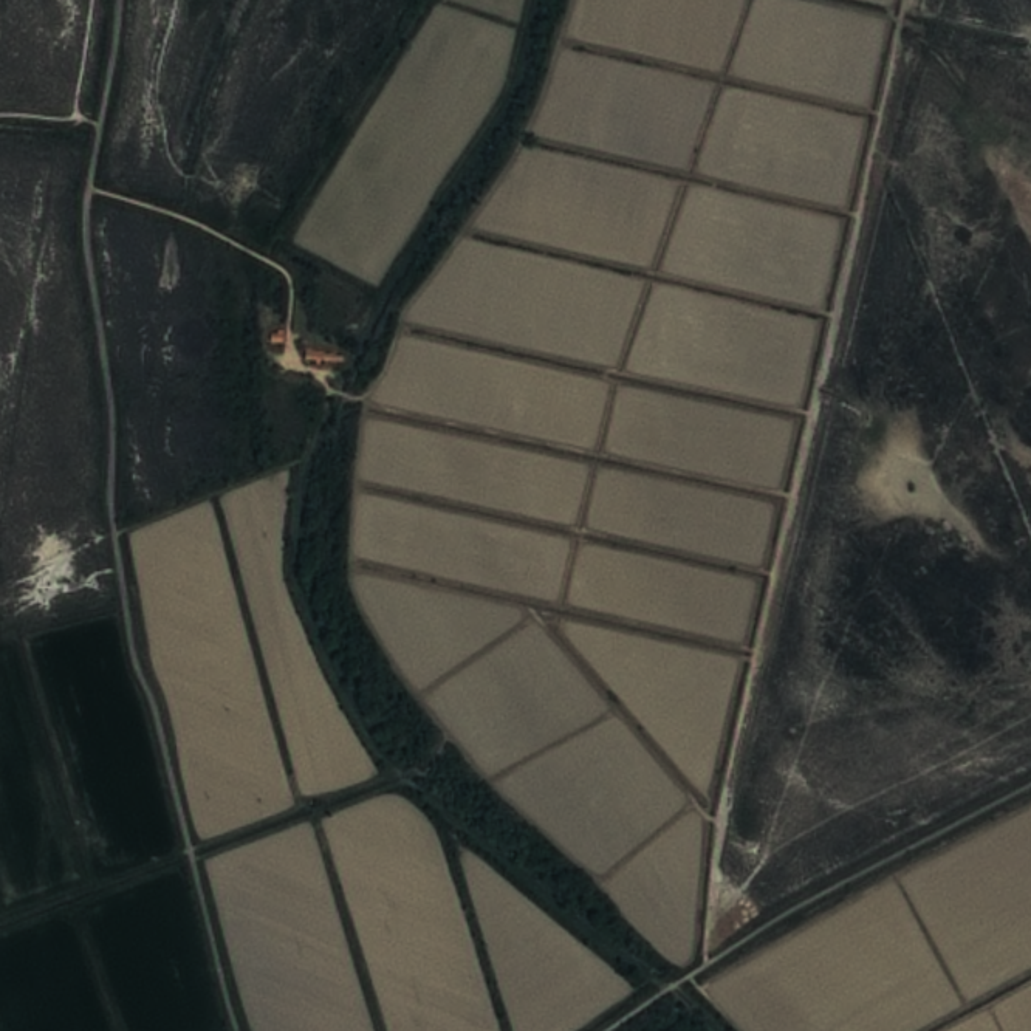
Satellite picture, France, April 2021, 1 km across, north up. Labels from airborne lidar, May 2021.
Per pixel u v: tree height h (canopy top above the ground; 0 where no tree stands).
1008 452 0
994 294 0
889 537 0
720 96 0
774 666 0
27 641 0
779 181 0
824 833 0
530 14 0
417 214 0
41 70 0
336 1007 0
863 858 0
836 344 0
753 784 0
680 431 0
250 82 0
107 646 0
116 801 0
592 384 0
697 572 0
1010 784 0
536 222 0
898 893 0
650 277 0
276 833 0
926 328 0
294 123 0
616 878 0
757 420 0
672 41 0
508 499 0
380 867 0
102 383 0
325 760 0
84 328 0
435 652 0
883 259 0
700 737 0
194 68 0
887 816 0
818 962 0
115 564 0
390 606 0
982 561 0
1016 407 0
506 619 0
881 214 0
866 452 0
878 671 0
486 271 0
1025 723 0
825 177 0
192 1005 0
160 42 0
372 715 14
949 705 0
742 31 0
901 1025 0
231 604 0
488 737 0
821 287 0
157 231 0
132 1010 0
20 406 0
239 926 0
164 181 0
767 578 0
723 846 0
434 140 0
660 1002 6
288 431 0
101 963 0
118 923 0
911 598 0
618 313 0
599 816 0
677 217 0
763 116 0
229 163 0
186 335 0
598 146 0
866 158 0
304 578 14
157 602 0
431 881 0
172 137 0
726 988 0
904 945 0
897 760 0
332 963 0
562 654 0
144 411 0
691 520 0
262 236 0
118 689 0
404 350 0
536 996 0
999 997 0
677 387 0
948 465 0
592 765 0
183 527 0
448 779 9
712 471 0
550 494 0
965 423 0
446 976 0
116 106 0
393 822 0
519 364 0
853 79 0
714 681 0
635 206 0
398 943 0
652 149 0
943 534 0
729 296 0
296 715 0
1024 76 0
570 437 0
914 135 0
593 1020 0
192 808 0
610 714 0
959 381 0
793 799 0
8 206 0
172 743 0
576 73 0
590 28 0
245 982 0
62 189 0
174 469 0
